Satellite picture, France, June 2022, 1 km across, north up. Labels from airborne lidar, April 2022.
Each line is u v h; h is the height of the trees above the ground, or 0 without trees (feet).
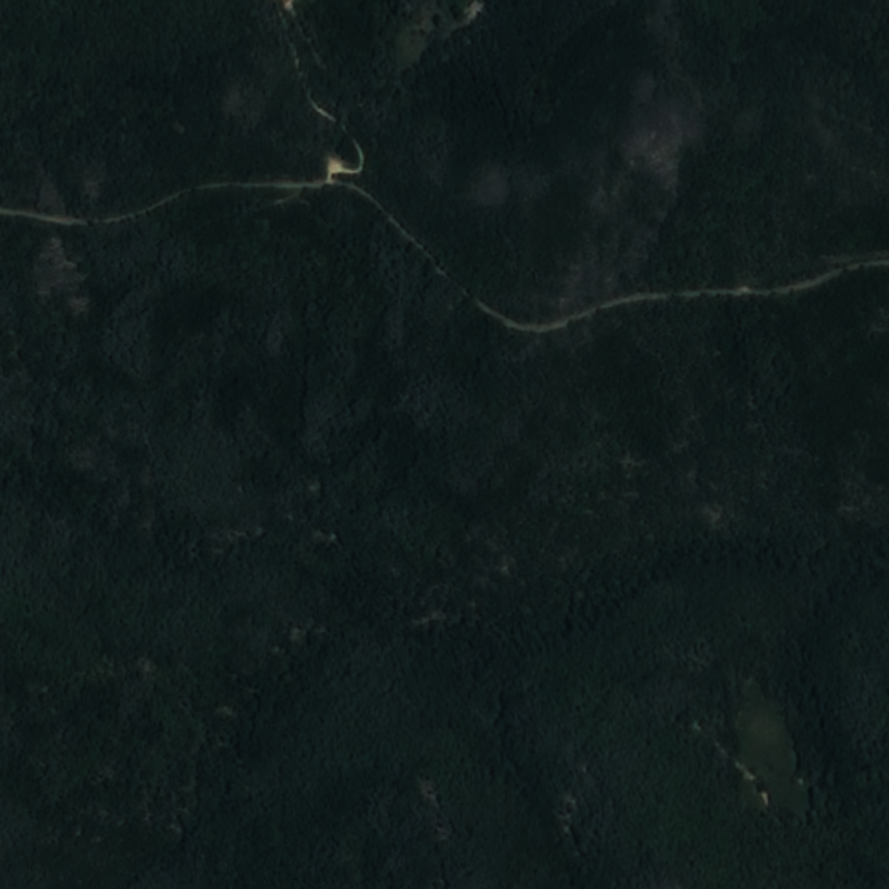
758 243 32
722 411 40
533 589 53
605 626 60
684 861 35
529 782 64
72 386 33
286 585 45
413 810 52
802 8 49
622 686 52
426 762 49
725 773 65
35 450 43
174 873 68
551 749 51
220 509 49
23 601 37
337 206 49
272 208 26
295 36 22
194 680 42
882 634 51
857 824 53
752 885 51
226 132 33
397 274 49
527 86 53
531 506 42
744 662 57
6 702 38
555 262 27
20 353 43
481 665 39
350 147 23
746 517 25
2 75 52
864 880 61
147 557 54
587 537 42
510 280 35
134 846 31
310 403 64
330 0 21
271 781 50
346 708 40
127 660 43
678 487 33
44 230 22
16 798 38
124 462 21
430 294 54
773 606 56
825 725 77
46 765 32
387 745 34
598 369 20
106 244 21
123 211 37
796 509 43
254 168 30
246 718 57
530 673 62
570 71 19
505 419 49
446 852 46
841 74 37
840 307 19
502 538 18
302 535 46
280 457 22
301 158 21
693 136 0
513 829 64
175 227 31
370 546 52
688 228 48
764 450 37
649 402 29
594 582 58
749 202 42
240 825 60
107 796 47
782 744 0
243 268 43
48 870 28
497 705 61
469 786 47
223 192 37
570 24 49
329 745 39
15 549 38
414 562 46
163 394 30
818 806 62
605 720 46
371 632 63
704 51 44
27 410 28
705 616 52
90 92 61
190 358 29
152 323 21
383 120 42
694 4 51
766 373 51
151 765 33
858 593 65
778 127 26
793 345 22
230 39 42
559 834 55
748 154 33
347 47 32
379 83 53
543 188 17
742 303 43
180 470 33
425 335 26
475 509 23
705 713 52
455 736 51
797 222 24
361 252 37
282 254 42
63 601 39
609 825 48
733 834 45
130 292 51
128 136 46
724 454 31
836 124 26
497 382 50
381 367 27
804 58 46
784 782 0
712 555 68
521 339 29
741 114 18
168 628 30
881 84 44
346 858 53
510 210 23
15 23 31
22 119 38
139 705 39
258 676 52
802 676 72
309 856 43
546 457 37
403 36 0
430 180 31
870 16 43
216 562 46
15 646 52
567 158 0
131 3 52
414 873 51
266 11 40
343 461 58
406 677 54
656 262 39
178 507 36
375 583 64
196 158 32
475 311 29
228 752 58
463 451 55
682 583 49
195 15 46
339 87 36
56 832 44
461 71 34
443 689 41
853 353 24
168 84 53
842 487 22
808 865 68
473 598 51
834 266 24
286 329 37
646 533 40
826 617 71
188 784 46
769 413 57
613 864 46
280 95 20
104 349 56
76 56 47
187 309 28
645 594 64
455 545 22
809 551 46
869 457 30
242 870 61
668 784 47
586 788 40
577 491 45
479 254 38
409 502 64
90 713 58
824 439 25
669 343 53
